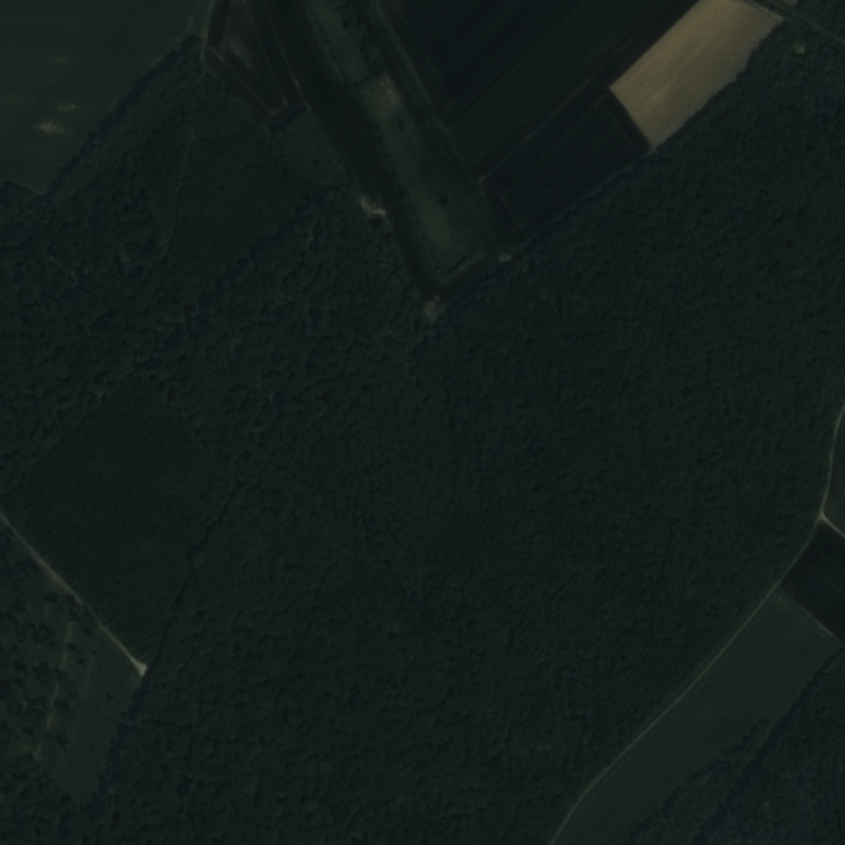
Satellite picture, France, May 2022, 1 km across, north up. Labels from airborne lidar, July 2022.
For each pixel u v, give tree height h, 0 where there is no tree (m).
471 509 18
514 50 0
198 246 7
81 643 0
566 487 27
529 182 0
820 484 17
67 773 0
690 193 25
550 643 21
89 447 17
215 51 0
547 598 18
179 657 20
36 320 29
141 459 16
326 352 28
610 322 29
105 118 0
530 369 26
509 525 18
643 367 27
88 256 29
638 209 25
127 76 0
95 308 32
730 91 13
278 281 25
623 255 29
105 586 12
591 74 0
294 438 20
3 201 13
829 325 22
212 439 23
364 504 23
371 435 21
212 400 24
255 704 31
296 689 26
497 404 23
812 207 23
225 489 9
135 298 30
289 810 25
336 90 0
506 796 22
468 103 0
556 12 0
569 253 26
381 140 12
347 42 0
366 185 0
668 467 26
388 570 25
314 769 24
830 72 27
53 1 0
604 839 0
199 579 23
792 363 23
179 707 27
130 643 11
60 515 13
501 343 27
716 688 0
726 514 21
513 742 24
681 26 0
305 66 0
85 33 0
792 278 23
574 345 28
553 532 24
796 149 28
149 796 32
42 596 0
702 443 27
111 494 14
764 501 22
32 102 0
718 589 23
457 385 24
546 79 0
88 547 15
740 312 28
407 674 25
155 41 0
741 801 25
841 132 27
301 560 26
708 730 0
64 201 22
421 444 21
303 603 27
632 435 27
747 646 0
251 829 23
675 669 17
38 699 0
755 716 0
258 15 0
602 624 18
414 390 27
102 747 0
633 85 0
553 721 23
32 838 26
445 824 25
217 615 24
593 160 0
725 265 26
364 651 23
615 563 27
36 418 27
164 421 15
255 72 0
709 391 23
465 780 24
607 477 29
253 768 24
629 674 16
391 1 0
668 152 17
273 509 22
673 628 19
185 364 27
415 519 15
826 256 25
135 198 24
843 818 12
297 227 24
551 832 15
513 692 25
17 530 8
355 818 21
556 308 20
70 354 26
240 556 21
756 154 29
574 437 28
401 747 23
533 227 0
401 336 17
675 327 29
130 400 15
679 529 21
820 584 0
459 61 0
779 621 0
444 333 18
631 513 24
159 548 10
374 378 25
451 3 0
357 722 25
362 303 22
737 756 21
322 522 25
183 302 25
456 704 24
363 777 30
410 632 22
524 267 14
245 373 27
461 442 25
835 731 17
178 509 11
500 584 20
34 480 13
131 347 28
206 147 7
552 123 0
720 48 0
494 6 0
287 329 22
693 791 17
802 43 16
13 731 23
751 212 24
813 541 0
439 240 0
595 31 0
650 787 0
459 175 0
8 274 29
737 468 22
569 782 25
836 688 16
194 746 29
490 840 24
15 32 0
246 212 7
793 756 18
